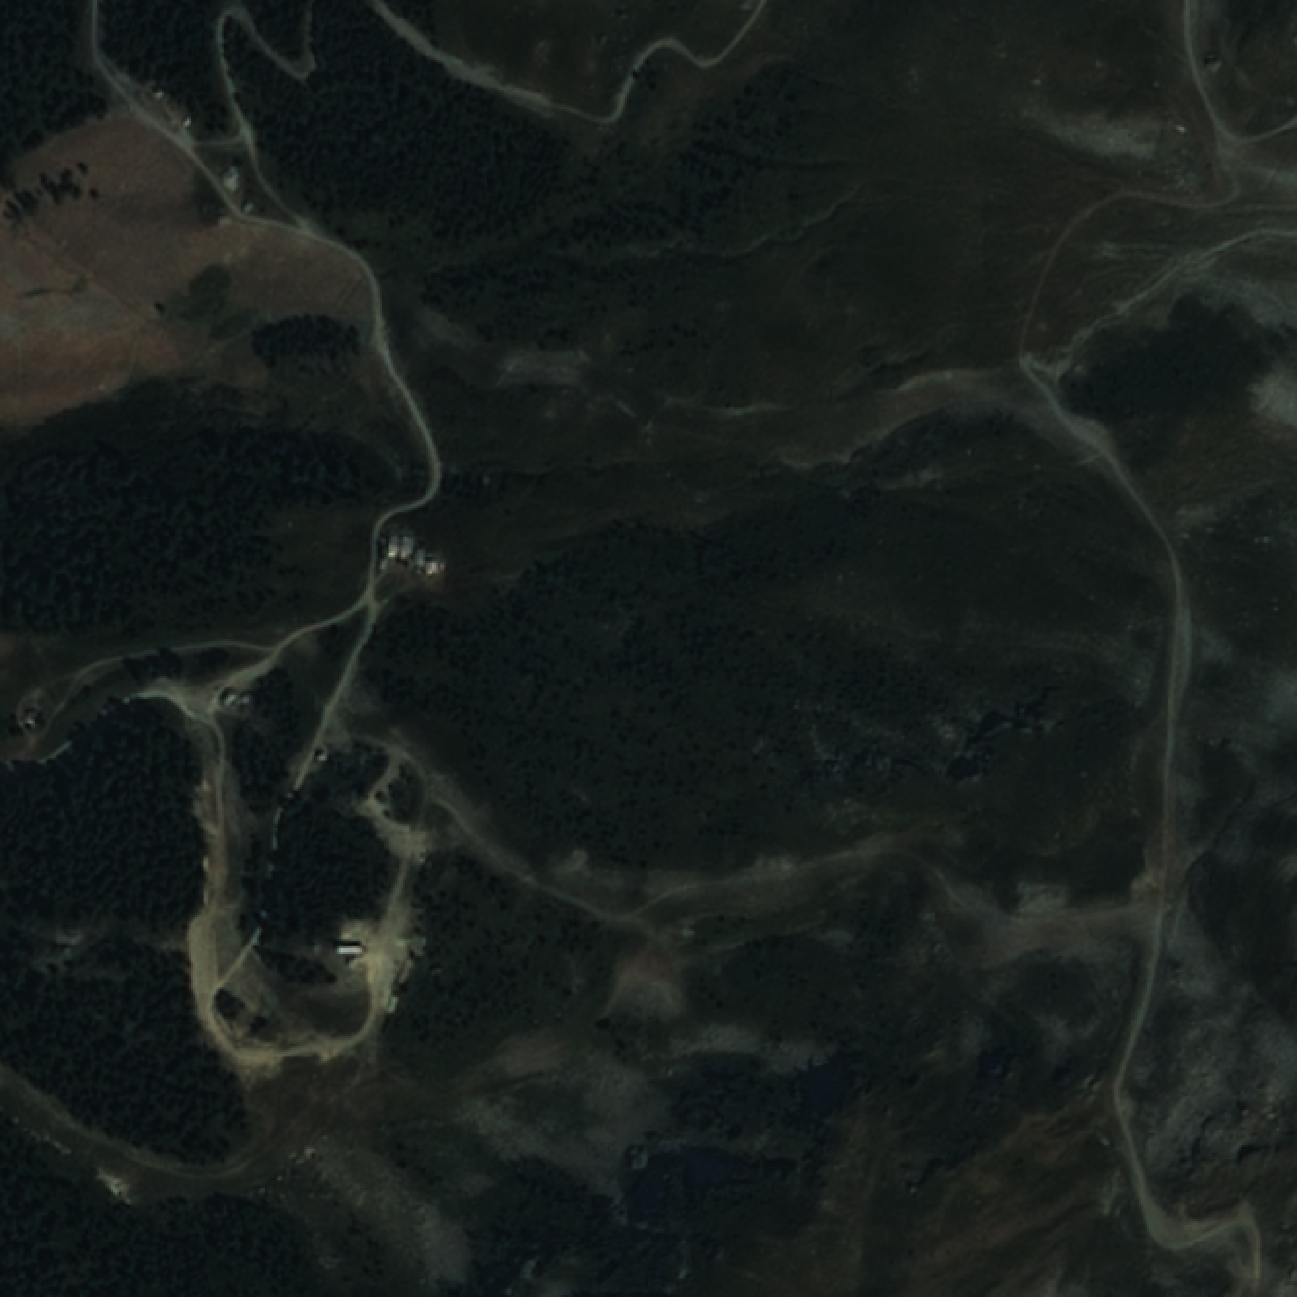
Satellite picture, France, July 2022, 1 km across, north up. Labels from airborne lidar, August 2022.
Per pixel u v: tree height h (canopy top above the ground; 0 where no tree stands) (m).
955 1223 0
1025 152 0
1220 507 0
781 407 0
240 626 0
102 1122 15
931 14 0
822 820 0
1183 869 0
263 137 13
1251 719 0
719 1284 0
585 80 0
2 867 18
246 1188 0
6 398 0
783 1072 0
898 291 0
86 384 0
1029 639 0
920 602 0
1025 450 0
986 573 0
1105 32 0
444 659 8
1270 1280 0
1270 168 0
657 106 0
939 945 0
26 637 0
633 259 0
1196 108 0
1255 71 0
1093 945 0
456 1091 0
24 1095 0
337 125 13
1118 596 0
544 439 0
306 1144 0
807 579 0
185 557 9
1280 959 0
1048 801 0
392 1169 0
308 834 9
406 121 20
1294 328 0
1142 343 0
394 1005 0
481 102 10
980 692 0
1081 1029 0
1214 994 0
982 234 0
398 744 0
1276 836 0
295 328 10
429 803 0
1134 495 0
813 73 0
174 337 0
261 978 0
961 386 0
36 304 0
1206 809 0
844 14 0
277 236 0
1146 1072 0
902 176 0
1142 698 0
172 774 18
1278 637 0
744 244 0
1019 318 0
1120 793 0
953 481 0
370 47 10
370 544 0
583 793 0
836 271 0
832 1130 0
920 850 0
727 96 0
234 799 0
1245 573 0
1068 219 0
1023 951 0
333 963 0
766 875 0
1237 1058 0
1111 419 0
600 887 0
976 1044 0
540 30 0
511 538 0
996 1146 0
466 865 9
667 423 0
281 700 8
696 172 11
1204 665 0
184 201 0
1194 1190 0
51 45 21
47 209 0
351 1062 0
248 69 9
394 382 0
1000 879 0
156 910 20
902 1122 0
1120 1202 0
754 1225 0
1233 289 0
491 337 10
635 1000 0
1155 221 0
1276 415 0
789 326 0
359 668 0
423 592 0
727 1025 0
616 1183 0
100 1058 9
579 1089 0
